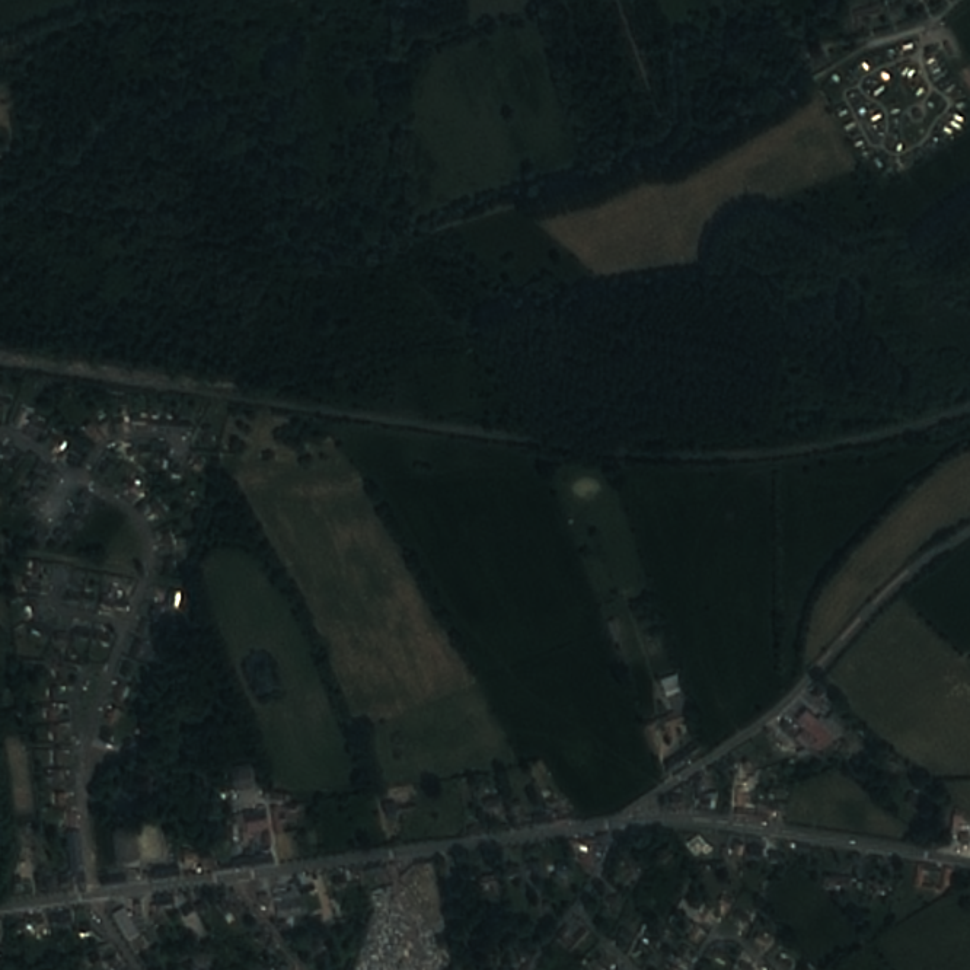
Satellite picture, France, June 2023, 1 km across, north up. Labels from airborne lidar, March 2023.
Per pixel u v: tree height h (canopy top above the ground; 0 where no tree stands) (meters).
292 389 7
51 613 0
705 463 6
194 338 13
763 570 0
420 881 0
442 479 0
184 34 9
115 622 0
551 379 38
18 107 8
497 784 13
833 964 11
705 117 13
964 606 0
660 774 9
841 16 11
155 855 0
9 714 7
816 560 0
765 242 32
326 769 0
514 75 0
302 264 27
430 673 0
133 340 13
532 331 37
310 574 0
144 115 8
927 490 0
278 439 8
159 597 0
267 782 11
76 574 0
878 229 10
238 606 0
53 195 16
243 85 8
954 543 0
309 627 12
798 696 0
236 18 6
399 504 0
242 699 12
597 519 0
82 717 0
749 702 0
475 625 0
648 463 9
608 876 8
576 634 0
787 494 0
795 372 11
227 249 9
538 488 0
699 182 0
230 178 17
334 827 0
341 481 0
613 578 0
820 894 0
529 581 0
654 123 15
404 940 0
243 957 7
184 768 22
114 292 7
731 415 33
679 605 0
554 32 16
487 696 0
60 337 16
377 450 0
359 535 0
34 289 8
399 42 16
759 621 0
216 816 16
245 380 20
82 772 0
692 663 0
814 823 0
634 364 38
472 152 0
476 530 0
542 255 0
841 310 30
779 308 30
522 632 0
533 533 0
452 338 6
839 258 10
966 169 0
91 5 22
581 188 35
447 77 0
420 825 0
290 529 0
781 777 6
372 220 19
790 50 16
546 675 0
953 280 7
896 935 0
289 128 29
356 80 18
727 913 0
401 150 14
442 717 0
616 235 0
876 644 0
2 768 25
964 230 33
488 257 0
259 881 0
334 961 12
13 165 7
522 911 0
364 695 0
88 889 0
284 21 0
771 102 26
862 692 0
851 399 7
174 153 12
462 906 20
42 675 14
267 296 17
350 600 0
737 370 38
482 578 0
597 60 10
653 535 0
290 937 13
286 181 27
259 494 0
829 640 0
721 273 33
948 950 0
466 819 0
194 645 26
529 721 0
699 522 0
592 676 0
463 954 22
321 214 18
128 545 0
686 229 0
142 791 7
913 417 14
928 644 0
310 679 0
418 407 0
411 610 0
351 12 8
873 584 0
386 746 0
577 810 0
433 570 0
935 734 0
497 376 8
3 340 13
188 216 18
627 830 6
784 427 10
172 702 21
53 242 7
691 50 15
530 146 0
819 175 0
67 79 12
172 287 12
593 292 32
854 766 15
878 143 0
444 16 34
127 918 0
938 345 0
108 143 14
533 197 33
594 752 0
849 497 0
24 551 12
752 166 0
